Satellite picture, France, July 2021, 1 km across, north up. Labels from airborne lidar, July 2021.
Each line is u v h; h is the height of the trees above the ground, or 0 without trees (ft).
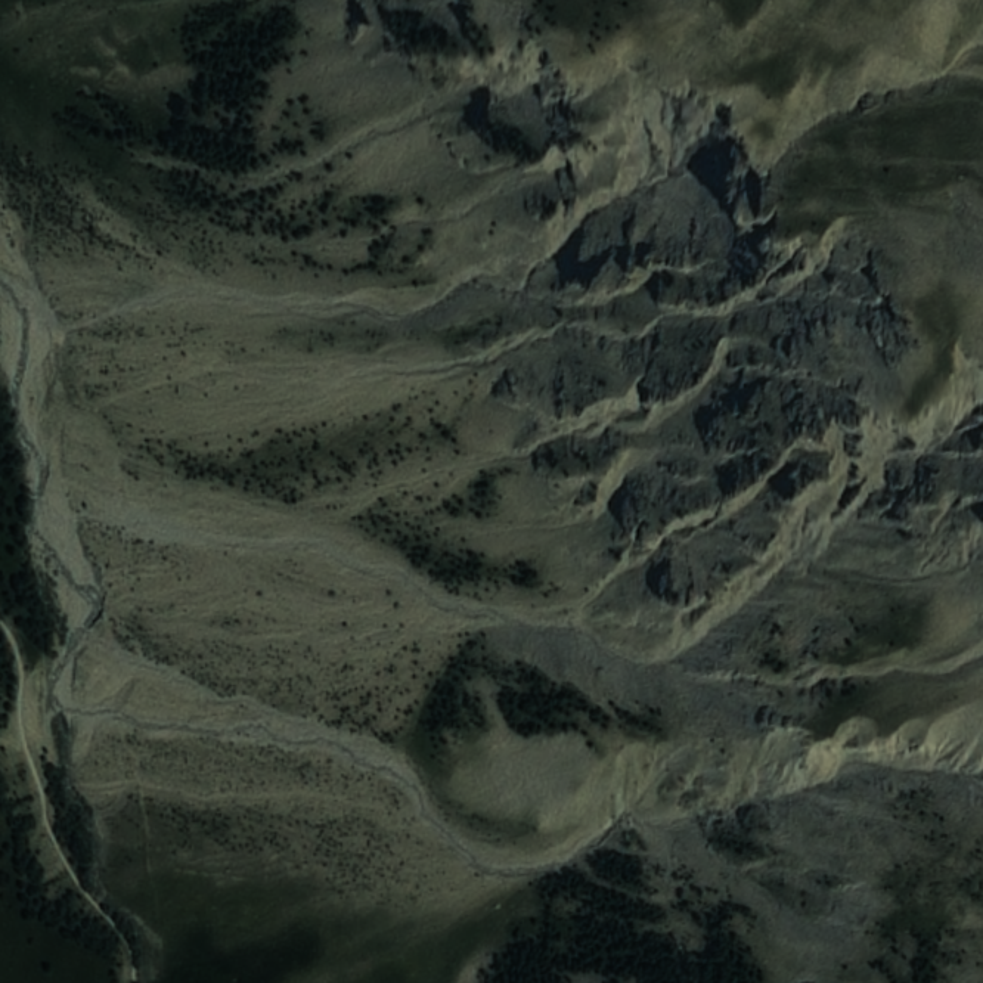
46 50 0
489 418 0
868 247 0
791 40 0
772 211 0
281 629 0
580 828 0
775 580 0
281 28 40
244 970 0
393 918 0
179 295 0
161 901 0
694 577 0
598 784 0
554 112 0
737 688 0
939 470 0
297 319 0
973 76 0
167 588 0
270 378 0
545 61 0
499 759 0
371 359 0
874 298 0
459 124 0
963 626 0
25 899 53
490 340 0
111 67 0
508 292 0
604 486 0
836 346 0
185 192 35
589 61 0
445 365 0
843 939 0
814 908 0
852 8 0
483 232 0
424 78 0
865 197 0
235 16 26
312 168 0
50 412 0
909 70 0
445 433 24
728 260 0
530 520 0
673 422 0
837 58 0
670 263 0
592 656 0
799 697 0
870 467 0
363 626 0
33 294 0
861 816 0
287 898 0
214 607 0
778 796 0
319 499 0
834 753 0
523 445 0
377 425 0
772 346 0
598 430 0
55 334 0
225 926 0
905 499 0
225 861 0
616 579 0
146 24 0
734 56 0
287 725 0
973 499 0
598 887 40
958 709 0
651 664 0
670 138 0
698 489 0
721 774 0
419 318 0
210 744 0
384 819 0
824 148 0
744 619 0
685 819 0
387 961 0
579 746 0
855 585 0
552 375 0
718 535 0
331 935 0
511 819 0
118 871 0
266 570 0
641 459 0
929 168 0
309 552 0
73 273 0
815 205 0
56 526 0
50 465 0
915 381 0
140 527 0
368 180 0
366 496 0
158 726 0
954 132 0
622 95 0
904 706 0
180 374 0
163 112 0
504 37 0
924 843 0
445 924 0
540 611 0
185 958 0
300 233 34
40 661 0
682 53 0
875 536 0
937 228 0
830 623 0
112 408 0
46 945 0
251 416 0
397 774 0
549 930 28
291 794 0
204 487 0
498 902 0
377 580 0
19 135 0
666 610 0
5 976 0
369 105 0
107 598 0
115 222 0
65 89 0
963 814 0
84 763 0
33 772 0
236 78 36
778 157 0
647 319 0
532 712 32
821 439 0
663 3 0
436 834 0
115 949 25
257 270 0
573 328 0
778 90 0
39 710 0
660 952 42
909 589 0
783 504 0
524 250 0
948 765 0
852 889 0
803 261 0
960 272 0
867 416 0
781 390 0
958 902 0
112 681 0
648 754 0
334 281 0
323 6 0
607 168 0
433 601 0
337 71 0
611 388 0
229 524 0
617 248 0
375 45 0
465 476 0
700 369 0
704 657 0
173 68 0
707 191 0
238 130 50
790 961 0
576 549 0
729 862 0
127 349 0
